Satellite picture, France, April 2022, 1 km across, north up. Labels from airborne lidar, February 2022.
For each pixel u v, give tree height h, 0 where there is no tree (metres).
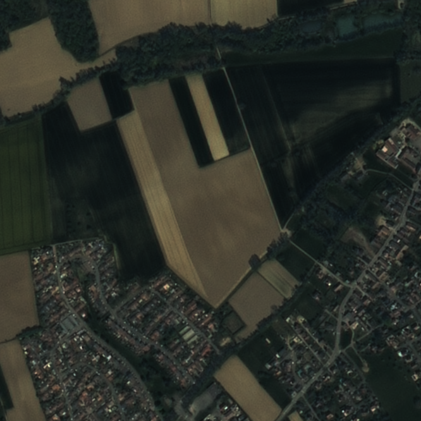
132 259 0
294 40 23
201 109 0
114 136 0
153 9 0
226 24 0
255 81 0
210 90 0
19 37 0
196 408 0
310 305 0
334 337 0
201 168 0
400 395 0
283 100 0
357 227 29
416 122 0
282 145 0
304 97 0
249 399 0
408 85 0
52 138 0
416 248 7
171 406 0
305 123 0
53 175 0
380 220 0
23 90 0
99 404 0
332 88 0
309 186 0
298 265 0
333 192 0
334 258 19
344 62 0
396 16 0
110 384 0
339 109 0
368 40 0
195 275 0
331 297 0
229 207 0
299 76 0
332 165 0
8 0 21
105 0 0
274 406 0
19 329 0
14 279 0
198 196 0
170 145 0
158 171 0
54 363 0
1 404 0
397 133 0
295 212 12
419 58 18
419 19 17
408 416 0
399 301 0
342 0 0
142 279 0
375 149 0
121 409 0
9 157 0
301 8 0
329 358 0
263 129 0
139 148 0
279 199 0
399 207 0
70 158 0
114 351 0
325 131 0
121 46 0
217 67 17
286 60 0
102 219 0
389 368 0
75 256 0
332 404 13
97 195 0
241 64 0
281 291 0
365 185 0
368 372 0
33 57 0
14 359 0
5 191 0
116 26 0
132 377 0
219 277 0
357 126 0
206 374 17
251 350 0
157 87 0
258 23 0
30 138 0
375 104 0
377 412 7
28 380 0
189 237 0
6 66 0
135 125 0
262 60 0
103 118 0
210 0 0
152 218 0
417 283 0
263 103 0
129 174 0
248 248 0
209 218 0
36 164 0
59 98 18
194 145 0
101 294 0
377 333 10
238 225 0
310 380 0
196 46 21
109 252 0
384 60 0
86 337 0
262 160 0
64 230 0
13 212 0
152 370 14
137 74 23
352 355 0
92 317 16
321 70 0
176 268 0
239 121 0
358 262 0
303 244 0
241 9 0
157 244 0
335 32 0
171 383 17
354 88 0
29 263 0
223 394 5
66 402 0
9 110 0
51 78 0
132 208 0
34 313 0
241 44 32
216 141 0
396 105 0
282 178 0
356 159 0
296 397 0
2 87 0
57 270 0
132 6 0
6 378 0
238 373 0
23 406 0
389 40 0
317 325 0
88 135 0
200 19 0
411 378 0
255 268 26
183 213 0
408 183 0
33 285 10
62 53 0
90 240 0
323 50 0
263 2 0
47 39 0
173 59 14
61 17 20
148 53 21
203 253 0
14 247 0
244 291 0
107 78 0
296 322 0
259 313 0
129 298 0
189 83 0
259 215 0
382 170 0
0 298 0
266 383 0
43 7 0
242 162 0
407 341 0
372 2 32
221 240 0
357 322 0
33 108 0
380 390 0
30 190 0
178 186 0
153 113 0
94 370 0
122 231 0
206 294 0
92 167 0
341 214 18
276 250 22
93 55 23
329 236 22
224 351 19
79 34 23
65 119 0
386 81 0
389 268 0
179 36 24
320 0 0
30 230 0
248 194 0
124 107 0
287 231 0
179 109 0
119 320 0
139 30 0
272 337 0
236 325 0
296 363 0
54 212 0
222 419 0
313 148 0
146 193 0
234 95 0
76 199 0
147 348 0
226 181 0
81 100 0
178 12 0
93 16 23
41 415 0
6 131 0
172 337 11
